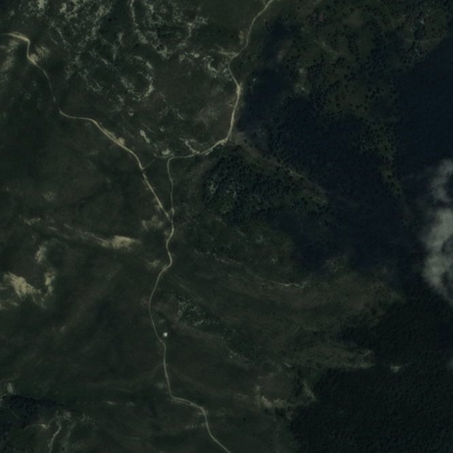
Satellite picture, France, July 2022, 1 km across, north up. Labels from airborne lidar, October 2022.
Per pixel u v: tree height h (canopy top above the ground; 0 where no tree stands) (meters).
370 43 0
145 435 0
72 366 0
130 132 0
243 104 0
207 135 0
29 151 0
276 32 7
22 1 0
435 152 13
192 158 0
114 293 0
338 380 12
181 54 0
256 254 0
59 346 0
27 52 0
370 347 10
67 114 0
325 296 0
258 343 0
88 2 0
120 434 0
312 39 0
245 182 6
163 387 0
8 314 0
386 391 13
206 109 0
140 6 0
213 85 0
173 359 0
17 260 0
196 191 0
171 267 0
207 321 0
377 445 15
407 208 0
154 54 0
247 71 0
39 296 0
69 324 0
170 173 0
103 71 0
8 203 0
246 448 0
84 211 0
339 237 0
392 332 14
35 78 0
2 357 0
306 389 0
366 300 0
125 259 0
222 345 0
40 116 0
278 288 0
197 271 0
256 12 0
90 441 0
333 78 0
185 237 0
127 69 0
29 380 0
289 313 0
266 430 0
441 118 15
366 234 16
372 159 16
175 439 0
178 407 0
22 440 0
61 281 0
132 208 0
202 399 0
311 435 10
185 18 0
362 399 19
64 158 0
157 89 0
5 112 0
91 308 0
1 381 0
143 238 0
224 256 0
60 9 0
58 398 0
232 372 0
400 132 15
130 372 0
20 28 0
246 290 0
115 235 0
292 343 0
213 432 0
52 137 0
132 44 0
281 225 0
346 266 0
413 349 12
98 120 0
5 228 0
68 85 0
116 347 0
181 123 0
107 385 0
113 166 0
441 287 12
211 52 0
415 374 16
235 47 0
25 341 0
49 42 0
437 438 15
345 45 0
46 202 0
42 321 0
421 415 17
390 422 24
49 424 0
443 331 21
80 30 0
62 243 0
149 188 0
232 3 0
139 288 0
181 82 0
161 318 0
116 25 0
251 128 0
